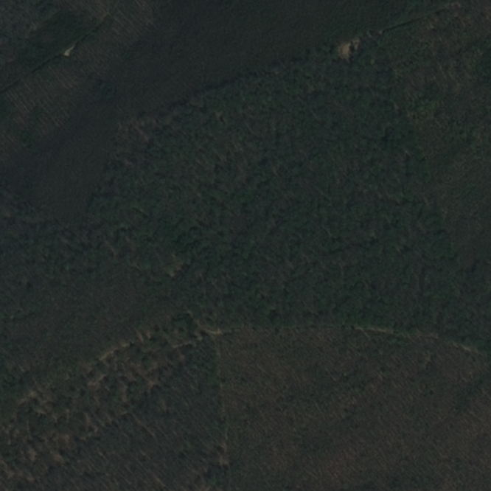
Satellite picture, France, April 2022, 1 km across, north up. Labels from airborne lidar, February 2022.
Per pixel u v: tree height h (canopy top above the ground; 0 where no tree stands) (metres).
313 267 29
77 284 24
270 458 0
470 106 0
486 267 20
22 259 33
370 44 26
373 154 29
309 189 28
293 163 29
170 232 28
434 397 18
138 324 23
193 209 29
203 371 29
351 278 30
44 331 23
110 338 21
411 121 22
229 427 23
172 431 30
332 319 28
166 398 22
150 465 31
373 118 28
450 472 19
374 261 24
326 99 29
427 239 30
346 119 30
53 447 13
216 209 30
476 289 30
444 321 27
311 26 12
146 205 31
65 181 0
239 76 11
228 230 28
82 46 0
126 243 32
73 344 19
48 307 25
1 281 31
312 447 0
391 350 20
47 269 31
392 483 21
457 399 0
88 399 29
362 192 28
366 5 9
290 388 19
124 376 25
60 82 0
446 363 18
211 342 25
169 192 33
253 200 29
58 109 0
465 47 20
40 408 25
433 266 30
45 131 0
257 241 28
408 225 27
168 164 32
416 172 30
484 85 17
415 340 17
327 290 29
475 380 20
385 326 25
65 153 0
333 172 31
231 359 22
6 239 31
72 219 14
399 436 0
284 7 10
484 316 31
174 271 37
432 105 23
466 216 15
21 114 0
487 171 14
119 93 16
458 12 20
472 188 13
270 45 9
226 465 0
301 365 21
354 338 18
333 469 0
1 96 0
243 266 34
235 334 17
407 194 25
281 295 27
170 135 27
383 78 31
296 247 28
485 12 0
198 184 33
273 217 26
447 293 29
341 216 27
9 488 25
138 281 23
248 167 30
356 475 19
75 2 0
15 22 17
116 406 20
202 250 28
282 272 27
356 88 27
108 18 0
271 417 0
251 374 0
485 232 13
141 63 0
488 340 27
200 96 23
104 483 36
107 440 31
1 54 18
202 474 30
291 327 26
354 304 31
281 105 30
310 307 28
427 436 16
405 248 28
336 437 0
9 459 25
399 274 30
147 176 32
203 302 28
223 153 32
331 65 27
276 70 24
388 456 0
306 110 30
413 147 27
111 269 29
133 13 0
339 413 0
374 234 29
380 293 32
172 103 11
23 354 27
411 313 29
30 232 30
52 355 22
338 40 12
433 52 20
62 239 30
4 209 30
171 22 10
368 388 19
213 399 30
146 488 27
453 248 25
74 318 21
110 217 33
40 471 12
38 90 0
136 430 29
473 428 20
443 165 15
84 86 0
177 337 28
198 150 32
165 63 8
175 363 27
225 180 28
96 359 21
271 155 30
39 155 11
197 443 29
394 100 24
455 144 15
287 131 28
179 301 27
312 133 30
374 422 0
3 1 16
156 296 22
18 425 0
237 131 28
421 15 19
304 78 28
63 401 26
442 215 25
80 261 30
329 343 18
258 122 26
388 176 30
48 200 0
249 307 28
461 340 26
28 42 21
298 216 29
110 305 23
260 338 18
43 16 20
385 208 30
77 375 23
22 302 31
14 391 26
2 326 27
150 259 30
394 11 14
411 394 21
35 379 22
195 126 31
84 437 24
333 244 29
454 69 25
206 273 28
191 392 32
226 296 31
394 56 14
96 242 30
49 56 12
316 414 0
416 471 17
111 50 0
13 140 0
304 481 20
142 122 18
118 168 14
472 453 19
